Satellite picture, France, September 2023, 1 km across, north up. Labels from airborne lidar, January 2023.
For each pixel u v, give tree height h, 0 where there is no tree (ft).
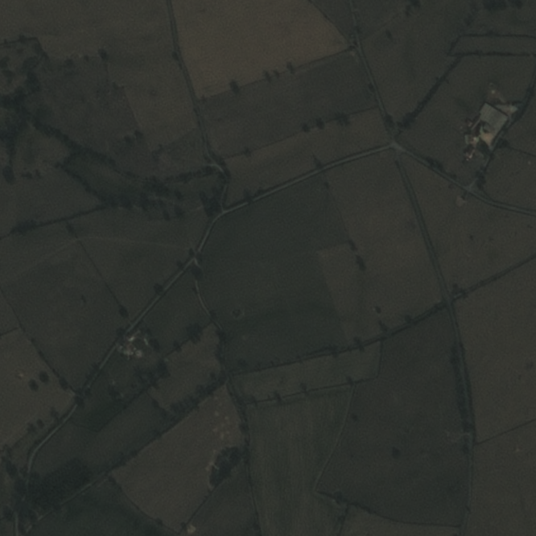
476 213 0
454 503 0
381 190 0
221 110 0
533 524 0
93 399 0
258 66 0
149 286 0
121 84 0
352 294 0
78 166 0
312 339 0
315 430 0
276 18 0
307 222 0
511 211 0
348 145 0
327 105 0
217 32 0
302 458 0
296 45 0
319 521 0
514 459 0
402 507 0
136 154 0
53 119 0
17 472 31
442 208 0
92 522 0
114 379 0
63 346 0
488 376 0
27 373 0
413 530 0
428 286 0
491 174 0
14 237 0
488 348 0
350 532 0
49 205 0
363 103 0
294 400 0
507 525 0
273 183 0
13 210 0
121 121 0
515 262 0
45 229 0
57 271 0
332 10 0
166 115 0
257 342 0
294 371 0
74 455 0
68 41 0
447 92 0
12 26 0
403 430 0
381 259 0
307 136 0
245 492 0
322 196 0
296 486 0
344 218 0
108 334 0
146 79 0
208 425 0
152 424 0
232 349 0
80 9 0
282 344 0
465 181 0
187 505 0
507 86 0
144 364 0
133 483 0
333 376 0
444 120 0
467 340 0
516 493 0
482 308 0
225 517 0
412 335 0
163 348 0
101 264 0
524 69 0
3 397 0
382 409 0
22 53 0
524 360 0
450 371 0
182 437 0
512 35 26
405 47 0
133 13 0
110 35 0
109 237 0
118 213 0
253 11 0
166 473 0
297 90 0
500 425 0
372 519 0
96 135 0
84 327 0
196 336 67
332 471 0
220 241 0
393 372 0
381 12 0
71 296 0
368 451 0
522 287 0
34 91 25
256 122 0
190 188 0
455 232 0
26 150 0
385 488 0
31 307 0
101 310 0
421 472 0
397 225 0
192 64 0
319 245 0
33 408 0
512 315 0
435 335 0
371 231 0
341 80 0
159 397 0
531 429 0
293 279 0
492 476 0
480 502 0
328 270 0
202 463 0
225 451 20
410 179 0
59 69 0
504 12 0
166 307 0
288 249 0
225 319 0
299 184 0
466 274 0
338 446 0
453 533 0
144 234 0
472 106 0
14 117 0
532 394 0
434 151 0
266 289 0
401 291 0
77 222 0
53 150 0
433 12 0
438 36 0
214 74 0
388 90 0
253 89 0
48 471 0
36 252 0
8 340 0
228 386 0
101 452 0
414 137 0
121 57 0
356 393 0
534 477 0
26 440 0
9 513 53
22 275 0
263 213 0
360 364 0
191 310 0
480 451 0
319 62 0
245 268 0
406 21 0
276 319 0
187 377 0
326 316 0
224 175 32
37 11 0
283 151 0
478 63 0
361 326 0
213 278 0
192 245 0
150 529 0
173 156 0
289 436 0
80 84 0
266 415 0
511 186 0
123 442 0
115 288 0
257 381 0
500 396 0
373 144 0
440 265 0
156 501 0
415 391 0
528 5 0
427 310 0
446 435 0
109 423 0
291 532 0
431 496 0
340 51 0
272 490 0
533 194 0
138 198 0
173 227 0
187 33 0
